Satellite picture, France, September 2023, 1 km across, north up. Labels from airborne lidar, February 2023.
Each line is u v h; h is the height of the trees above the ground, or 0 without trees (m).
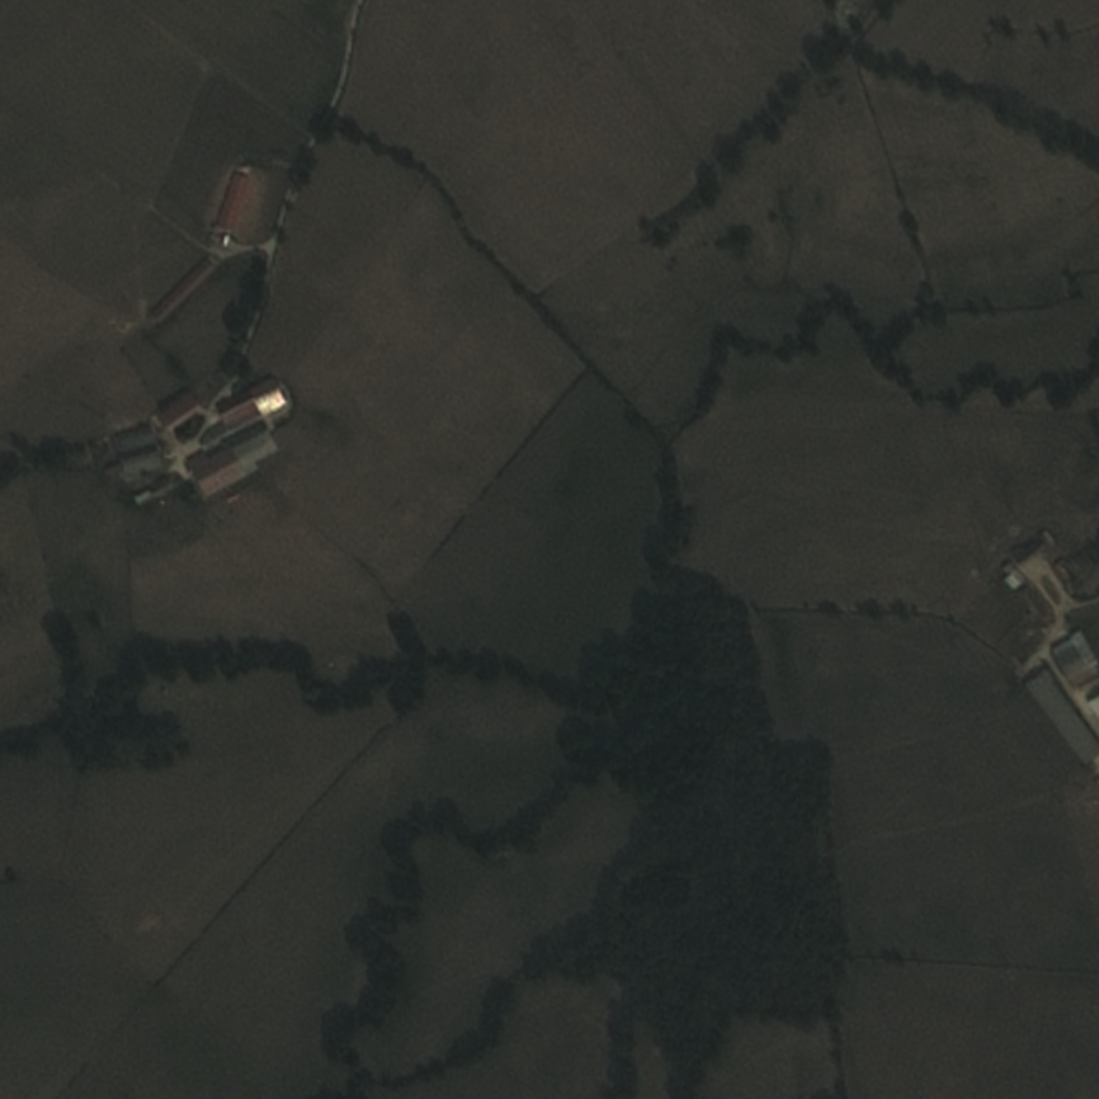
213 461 0
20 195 0
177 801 0
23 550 0
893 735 0
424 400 0
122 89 0
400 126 0
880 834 0
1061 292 0
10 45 0
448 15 0
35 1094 0
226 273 0
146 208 0
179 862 0
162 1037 0
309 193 0
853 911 0
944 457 0
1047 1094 0
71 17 0
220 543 0
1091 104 0
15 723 0
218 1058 0
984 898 0
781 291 0
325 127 14
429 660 7
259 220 0
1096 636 0
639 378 0
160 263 0
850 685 0
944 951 0
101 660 0
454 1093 0
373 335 0
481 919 0
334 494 0
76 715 16
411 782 0
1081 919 0
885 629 0
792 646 0
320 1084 0
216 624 0
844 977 16
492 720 0
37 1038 0
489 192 0
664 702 8
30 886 0
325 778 0
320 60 0
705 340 0
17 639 0
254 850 0
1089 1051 0
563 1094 0
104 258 0
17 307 0
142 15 0
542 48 0
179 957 0
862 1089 0
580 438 0
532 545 0
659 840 16
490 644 0
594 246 0
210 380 0
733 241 13
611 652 22
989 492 0
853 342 0
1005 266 0
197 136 0
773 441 0
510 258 0
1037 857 0
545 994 0
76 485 0
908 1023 0
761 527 0
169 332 0
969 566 0
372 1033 0
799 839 15
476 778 0
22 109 0
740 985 14
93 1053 0
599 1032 0
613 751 22
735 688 20
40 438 0
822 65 13
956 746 0
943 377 0
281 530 0
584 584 0
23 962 0
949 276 0
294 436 0
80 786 0
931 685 0
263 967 0
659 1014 18
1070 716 0
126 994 0
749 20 0
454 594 0
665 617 21
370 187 0
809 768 15
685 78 0
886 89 0
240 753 0
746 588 0
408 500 0
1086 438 0
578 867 0
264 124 0
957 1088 0
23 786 0
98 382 0
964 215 0
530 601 0
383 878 0
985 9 0
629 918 10
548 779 0
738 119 0
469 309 0
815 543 0
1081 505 0
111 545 0
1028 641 0
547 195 0
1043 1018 0
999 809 0
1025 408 0
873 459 0
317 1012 0
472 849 8
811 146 0
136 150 0
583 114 0
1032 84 0
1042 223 0
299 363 0
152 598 0
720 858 15
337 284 0
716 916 17
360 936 21
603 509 0
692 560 0
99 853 0
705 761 20
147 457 0
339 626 0
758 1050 0
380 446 0
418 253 0
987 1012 0
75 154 0
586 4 0
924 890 0
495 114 0
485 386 0
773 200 0
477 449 0
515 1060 0
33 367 0
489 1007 10
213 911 0
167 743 15
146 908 0
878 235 0
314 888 0
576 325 0
